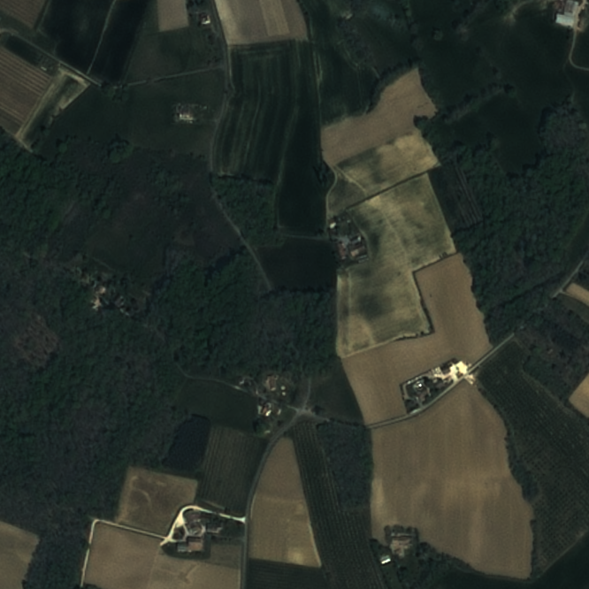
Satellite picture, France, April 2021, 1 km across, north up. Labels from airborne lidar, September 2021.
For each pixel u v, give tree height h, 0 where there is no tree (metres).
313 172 0
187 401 0
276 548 0
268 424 20
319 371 21
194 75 0
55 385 23
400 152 0
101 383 18
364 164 0
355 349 0
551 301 10
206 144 0
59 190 16
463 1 0
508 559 0
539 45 0
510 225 24
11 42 0
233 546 0
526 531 0
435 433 0
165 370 17
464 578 0
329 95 0
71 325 24
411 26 14
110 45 0
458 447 0
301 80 0
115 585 0
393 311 0
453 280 0
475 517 0
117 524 0
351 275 0
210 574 0
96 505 15
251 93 0
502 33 0
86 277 9
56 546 20
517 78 0
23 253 18
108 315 23
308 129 0
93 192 8
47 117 0
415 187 0
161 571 0
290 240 0
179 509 0
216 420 0
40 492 19
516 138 0
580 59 0
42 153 0
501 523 0
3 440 23
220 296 27
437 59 0
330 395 0
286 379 17
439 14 0
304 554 0
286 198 0
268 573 0
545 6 0
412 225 0
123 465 23
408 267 0
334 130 0
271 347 16
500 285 20
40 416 20
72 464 17
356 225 0
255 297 22
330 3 0
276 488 0
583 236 0
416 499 0
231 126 0
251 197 24
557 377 6
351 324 0
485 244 23
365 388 0
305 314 18
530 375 9
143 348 14
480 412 0
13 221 22
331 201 0
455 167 14
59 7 0
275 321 20
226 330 28
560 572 0
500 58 0
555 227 21
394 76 20
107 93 17
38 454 22
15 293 18
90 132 0
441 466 0
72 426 16
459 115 18
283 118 0
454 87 0
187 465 15
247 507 0
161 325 18
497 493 0
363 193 0
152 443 17
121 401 19
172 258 18
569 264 8
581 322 14
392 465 0
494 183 24
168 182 9
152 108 0
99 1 0
